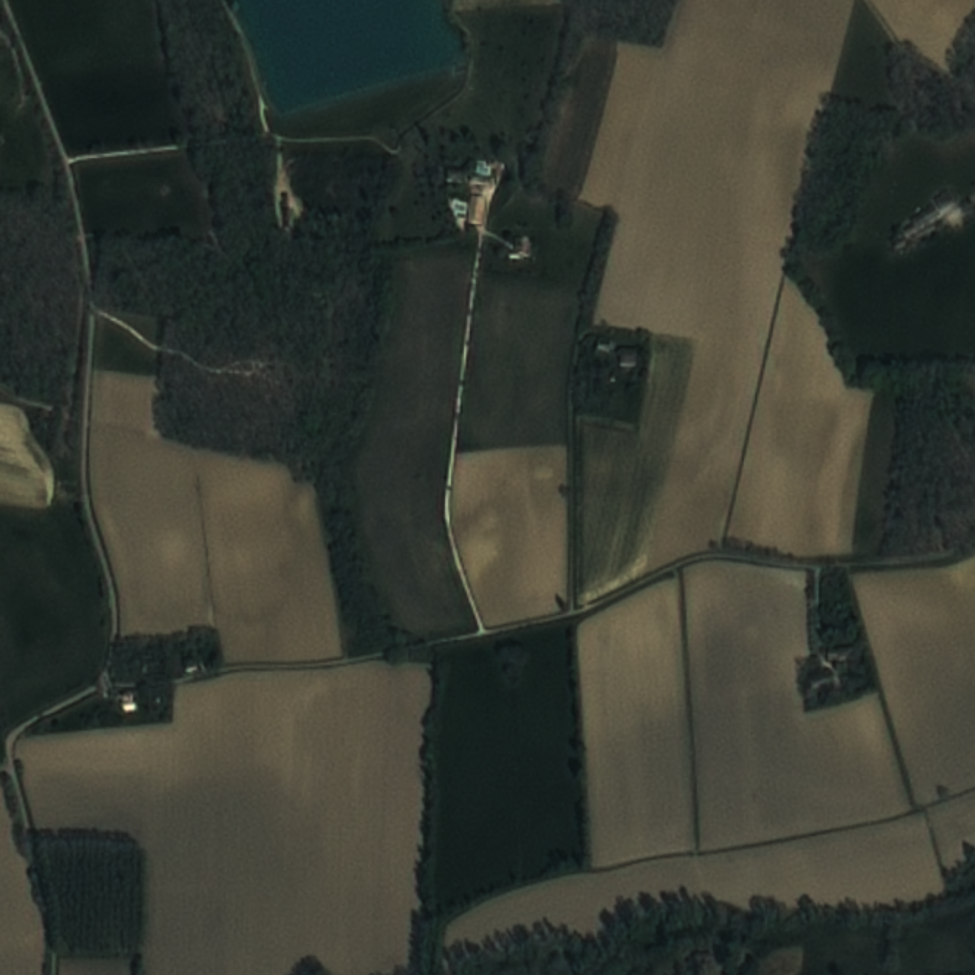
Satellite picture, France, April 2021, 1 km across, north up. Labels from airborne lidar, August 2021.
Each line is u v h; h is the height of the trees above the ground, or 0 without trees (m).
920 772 0
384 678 0
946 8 0
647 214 0
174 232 0
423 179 7
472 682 0
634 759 0
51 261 18
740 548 14
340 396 20
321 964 0
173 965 0
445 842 0
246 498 0
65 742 0
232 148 26
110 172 0
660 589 0
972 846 0
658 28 19
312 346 20
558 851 0
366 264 12
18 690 0
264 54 0
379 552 0
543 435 0
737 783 0
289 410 20
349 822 0
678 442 0
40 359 17
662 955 12
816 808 0
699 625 0
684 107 0
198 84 26
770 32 0
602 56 0
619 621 0
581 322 5
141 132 0
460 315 0
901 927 15
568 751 0
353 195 9
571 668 8
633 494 0
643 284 0
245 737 0
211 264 21
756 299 0
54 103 0
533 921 0
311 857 0
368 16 0
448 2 0
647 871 0
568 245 0
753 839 0
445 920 22
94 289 17
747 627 0
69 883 32
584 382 9
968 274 0
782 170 0
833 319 16
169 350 17
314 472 10
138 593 0
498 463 0
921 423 15
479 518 0
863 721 0
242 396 18
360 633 7
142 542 0
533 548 0
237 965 0
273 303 19
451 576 0
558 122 11
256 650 0
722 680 0
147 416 0
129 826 0
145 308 19
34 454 0
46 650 0
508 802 0
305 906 0
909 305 0
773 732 0
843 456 0
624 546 0
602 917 0
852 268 0
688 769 0
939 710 0
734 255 0
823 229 22
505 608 0
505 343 0
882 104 0
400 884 0
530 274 7
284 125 0
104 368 0
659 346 0
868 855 0
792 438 0
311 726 0
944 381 21
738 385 0
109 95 0
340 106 0
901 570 0
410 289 0
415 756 0
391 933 0
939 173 0
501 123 0
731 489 0
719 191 0
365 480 0
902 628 0
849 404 0
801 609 0
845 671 13
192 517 0
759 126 0
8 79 0
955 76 9
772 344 0
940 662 0
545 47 0
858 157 15
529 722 0
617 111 0
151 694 13
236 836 0
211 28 19
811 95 0
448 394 0
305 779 0
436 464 0
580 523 0
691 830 0
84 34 0
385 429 0
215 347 21
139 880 29
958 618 0
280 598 0
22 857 22
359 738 0
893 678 0
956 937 0
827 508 0
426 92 0
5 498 0
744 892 0
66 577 0
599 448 0
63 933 30
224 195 24
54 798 0
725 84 0
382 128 0
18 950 0
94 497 0
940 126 18
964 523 17
